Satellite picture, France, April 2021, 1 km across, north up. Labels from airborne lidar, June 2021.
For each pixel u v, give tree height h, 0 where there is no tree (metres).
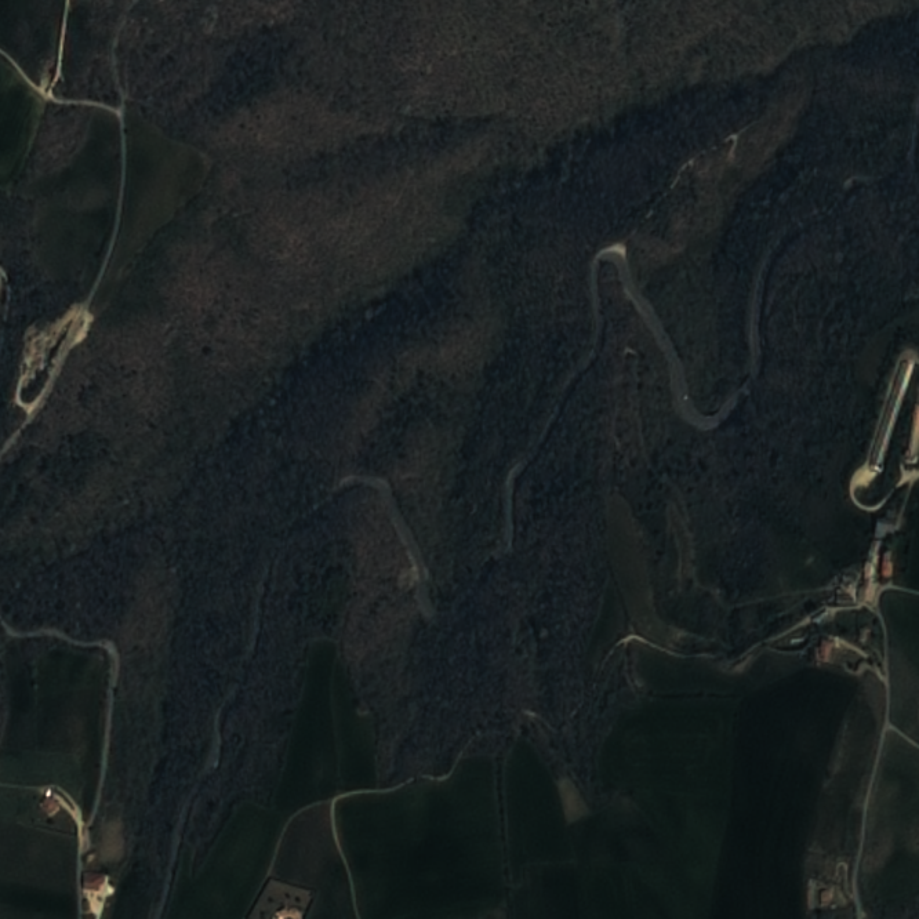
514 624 12
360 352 12
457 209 7
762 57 20
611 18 0
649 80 15
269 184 8
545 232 10
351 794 0
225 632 16
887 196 15
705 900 0
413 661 13
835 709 0
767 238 11
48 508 14
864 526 0
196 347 7
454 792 0
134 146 0
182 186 0
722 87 17
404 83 8
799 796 0
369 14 9
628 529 0
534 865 0
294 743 0
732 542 9
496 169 10
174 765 17
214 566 13
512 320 18
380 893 0
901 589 0
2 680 9
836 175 9
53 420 6
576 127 16
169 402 13
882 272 10
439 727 8
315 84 8
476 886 0
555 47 11
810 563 0
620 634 0
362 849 0
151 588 6
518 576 19
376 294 15
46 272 7
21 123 0
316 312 8
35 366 0
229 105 8
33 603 18
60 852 0
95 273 0
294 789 0
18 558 12
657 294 12
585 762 15
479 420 21
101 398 12
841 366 6
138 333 7
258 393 25
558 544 7
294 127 7
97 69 11
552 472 13
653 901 0
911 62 7
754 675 0
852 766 0
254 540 14
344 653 7
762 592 0
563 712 10
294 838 0
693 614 0
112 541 23
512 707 14
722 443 9
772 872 0
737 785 0
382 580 7
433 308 14
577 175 14
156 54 14
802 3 15
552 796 0
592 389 9
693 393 12
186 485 22
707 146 10
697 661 0
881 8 17
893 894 0
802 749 0
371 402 9
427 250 7
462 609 15
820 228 15
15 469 11
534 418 10
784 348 13
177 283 10
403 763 9
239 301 7
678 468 8
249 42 12
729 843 0
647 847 0
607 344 8
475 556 14
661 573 0
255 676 15
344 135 9
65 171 0
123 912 0
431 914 0
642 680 0
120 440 9
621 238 8
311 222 8
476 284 12
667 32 12
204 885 0
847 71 5
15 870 0
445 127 17
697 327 10
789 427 6
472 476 12
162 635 8
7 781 0
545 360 12
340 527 14
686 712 0
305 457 11
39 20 0
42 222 0
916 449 0
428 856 0
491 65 11
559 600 17
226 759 10
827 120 8
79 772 0
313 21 10
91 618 18
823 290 9
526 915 0
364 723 0
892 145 13
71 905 0
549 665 18
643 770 0
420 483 10
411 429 13
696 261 8
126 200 0
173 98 8
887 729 0
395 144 9
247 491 11
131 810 8
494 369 14
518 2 9
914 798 0
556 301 8
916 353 0
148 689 11
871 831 0
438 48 10
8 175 0
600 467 9
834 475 0
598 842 0
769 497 6
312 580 12
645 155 14
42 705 0
